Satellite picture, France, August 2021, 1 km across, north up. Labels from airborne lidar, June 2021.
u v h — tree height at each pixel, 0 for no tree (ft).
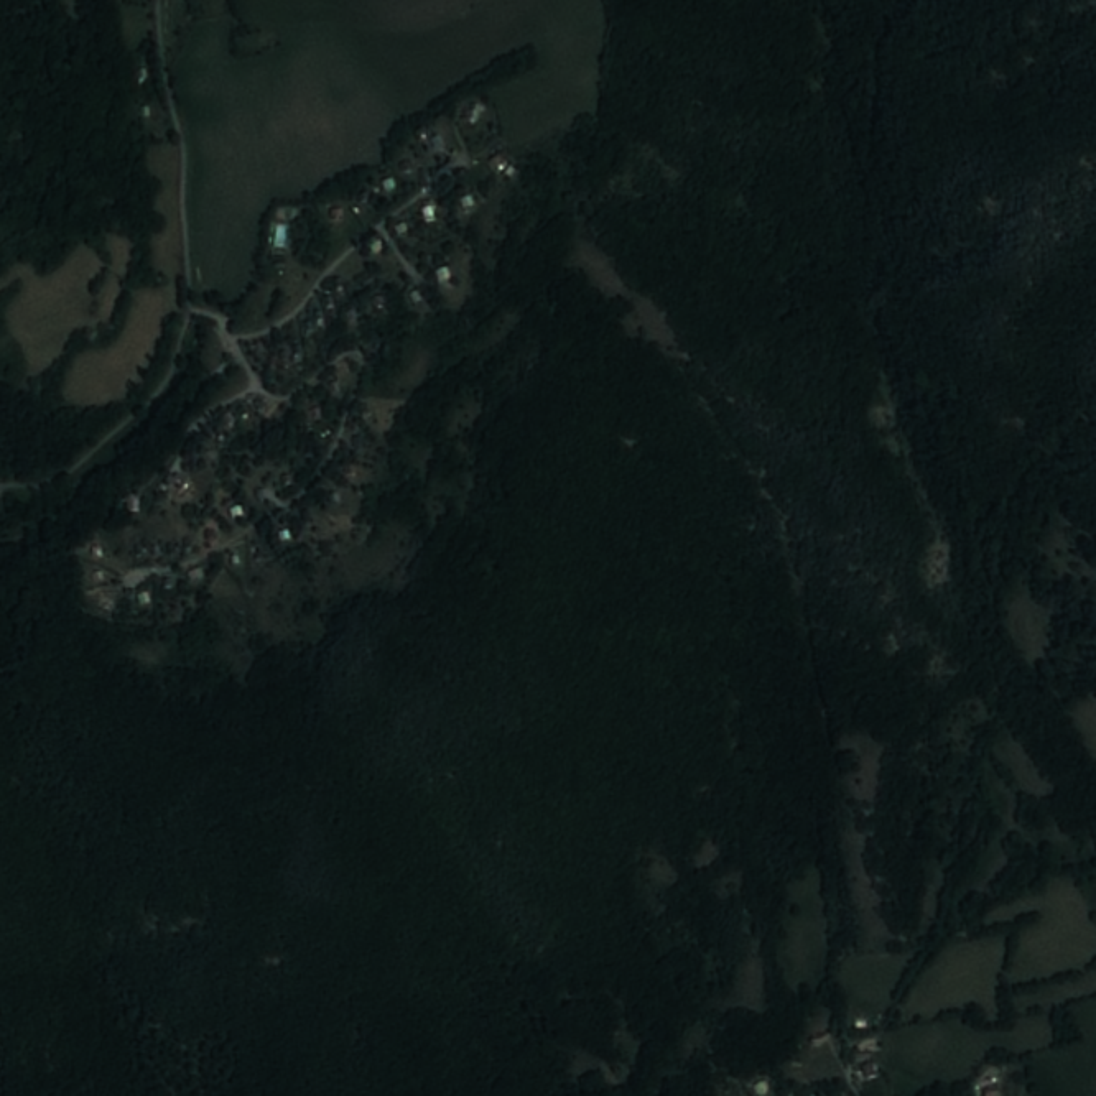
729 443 18
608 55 37
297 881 49
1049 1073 0
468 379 49
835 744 40
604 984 63
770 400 42
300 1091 54
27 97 58
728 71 56
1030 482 75
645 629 90
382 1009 57
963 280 44
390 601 31
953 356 48
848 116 66
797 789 83
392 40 0
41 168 59
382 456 25
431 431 24
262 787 45
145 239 56
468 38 0
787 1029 60
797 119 53
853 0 60
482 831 41
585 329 71
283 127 0
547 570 47
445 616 62
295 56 0
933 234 46
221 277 0
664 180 31
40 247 21
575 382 56
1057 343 55
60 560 24
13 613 70
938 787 61
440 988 52
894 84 66
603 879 53
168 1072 28
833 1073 0
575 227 30
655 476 69
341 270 0
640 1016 53
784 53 92
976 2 72
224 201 0
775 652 85
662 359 45
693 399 25
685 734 46
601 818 44
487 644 58
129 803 58
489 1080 31
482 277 40
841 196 30
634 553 68
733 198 26
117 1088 30
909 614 33
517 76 23
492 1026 74
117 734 51
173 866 49
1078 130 54
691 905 41
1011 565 46
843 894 26
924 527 65
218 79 0
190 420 51
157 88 48
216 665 27
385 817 54
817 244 58
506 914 40
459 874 41
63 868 90
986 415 36
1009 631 38
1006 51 49
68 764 59
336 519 0
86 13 55
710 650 50
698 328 52
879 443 45
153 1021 49
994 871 0
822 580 21
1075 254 45
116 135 69
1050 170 27
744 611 65
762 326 64
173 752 69
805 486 46
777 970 40
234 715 58
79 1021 29
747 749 53
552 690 43
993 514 45
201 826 49
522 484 73
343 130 0
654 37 45
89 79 60
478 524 37
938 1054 0
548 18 0
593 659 61
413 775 44
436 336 24
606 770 54
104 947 39
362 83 0
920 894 51
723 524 44
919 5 79
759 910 49
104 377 0
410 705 46
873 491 60
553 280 56
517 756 43
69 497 40
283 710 53
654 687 58
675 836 57
